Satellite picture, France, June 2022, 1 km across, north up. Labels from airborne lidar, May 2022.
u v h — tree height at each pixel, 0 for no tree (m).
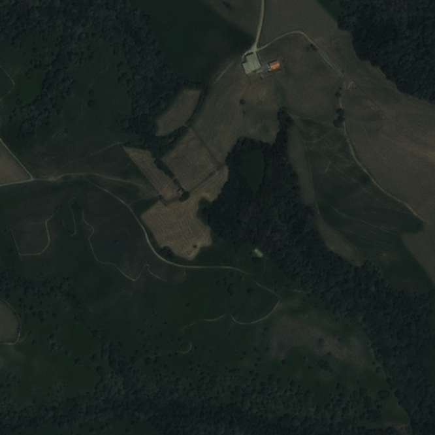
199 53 0
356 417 11
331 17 0
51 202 0
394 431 14
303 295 0
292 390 11
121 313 0
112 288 0
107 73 0
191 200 0
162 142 16
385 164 0
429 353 10
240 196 14
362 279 25
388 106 0
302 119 0
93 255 0
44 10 23
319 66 0
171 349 0
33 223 0
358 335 0
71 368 0
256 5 0
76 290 0
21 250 0
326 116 0
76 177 0
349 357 0
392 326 27
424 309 10
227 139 0
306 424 21
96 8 15
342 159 0
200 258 0
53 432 0
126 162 0
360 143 0
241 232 22
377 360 12
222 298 0
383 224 0
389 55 21
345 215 0
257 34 0
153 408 27
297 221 19
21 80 0
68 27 20
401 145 0
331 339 0
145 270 0
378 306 15
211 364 9
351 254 0
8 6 14
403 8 12
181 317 0
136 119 10
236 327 0
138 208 0
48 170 0
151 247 0
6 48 0
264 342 0
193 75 0
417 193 0
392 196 0
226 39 0
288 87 0
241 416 20
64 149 0
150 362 15
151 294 0
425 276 0
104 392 14
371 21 20
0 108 0
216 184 0
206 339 0
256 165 0
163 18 0
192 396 13
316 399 0
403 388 21
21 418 20
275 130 0
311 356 0
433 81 21
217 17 0
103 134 0
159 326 0
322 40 0
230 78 0
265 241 7
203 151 0
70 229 0
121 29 20
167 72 9
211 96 0
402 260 0
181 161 0
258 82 0
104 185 0
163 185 0
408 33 22
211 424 22
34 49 8
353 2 17
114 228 0
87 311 0
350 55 0
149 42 10
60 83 12
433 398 13
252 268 0
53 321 0
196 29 0
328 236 0
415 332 12
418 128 0
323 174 0
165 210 0
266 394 14
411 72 28
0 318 0
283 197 19
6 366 0
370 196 0
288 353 0
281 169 20
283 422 22
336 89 0
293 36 0
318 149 0
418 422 17
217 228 18
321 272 17
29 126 22
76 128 0
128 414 12
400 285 0
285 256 14
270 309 0
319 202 0
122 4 7
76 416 25
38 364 0
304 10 0
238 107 0
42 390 0
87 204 0
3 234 0
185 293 0
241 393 10
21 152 0
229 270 0
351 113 0
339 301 13
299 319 0
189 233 0
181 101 0
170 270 0
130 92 8
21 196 0
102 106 0
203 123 0
